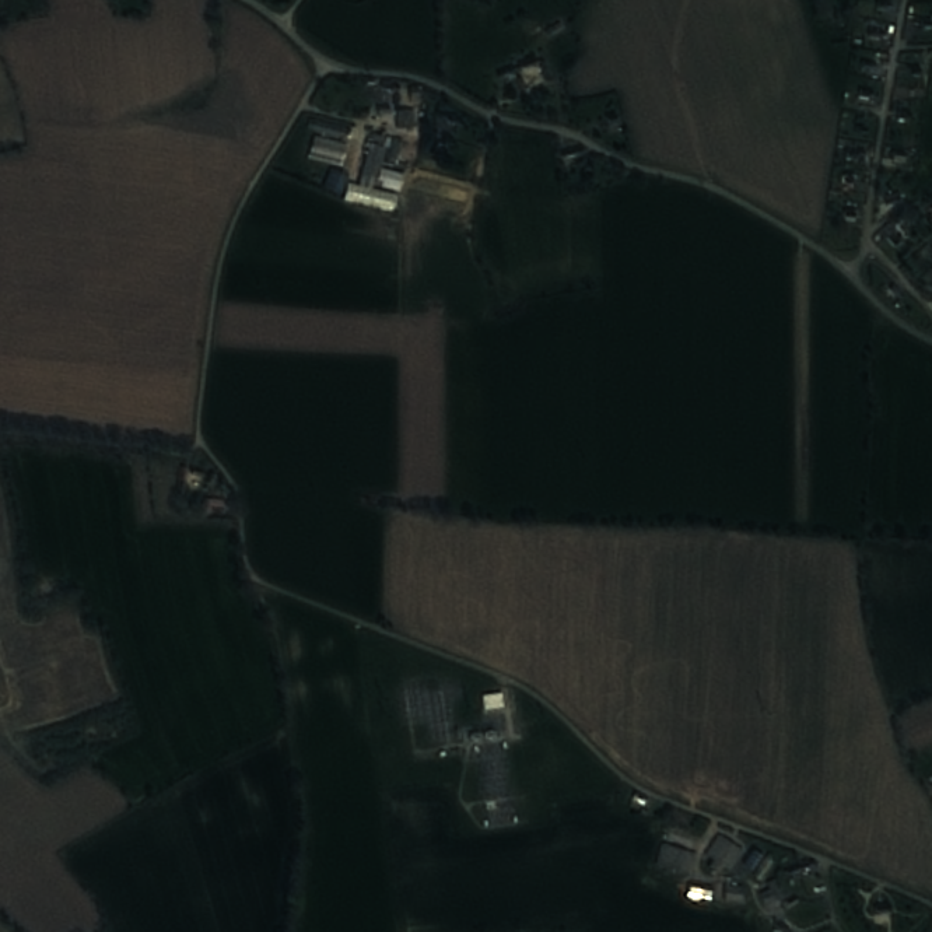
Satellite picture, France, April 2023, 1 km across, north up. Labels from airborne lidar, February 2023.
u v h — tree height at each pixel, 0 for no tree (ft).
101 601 0
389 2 0
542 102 28
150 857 0
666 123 0
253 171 0
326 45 0
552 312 0
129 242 0
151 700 0
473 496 0
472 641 0
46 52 0
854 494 0
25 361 0
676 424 0
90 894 35
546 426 0
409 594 0
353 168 0
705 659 0
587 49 0
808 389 0
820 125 0
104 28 0
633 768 0
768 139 0
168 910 0
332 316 0
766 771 0
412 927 0
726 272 0
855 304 0
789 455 0
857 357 0
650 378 0
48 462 0
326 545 0
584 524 49
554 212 0
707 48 0
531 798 0
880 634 0
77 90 0
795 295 0
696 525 52
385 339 0
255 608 31
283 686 50
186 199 0
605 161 20
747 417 0
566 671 0
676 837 0
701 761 0
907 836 0
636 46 0
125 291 0
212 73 0
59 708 0
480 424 0
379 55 0
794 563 0
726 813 0
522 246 0
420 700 0
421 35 0
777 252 0
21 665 0
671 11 0
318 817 0
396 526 0
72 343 0
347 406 0
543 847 0
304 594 0
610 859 0
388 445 0
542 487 0
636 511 0
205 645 0
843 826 0
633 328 0
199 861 0
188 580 0
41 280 0
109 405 0
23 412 0
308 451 0
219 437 0
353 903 0
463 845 0
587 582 0
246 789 0
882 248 0
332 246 0
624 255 0
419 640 0
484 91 0
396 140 0
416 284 0
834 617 0
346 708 0
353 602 0
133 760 0
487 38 0
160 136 0
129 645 0
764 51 0
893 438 0
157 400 0
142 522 0
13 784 0
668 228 0
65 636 0
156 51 0
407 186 0
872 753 0
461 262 0
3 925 29
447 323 0
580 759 0
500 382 0
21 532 18
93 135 0
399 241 0
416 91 0
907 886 0
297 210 0
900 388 0
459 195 0
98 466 0
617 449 0
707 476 0
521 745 0
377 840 0
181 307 0
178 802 0
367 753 0
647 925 0
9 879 0
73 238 0
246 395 0
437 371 0
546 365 0
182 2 0
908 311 24
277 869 0
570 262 0
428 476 0
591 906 0
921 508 0
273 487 0
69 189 0
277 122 0
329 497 0
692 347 0
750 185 0
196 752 0
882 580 0
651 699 0
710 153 0
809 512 0
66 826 0
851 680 0
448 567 0
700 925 0
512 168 0
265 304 0
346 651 0
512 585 0
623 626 0
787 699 0
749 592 0
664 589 0
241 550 59
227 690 0
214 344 0
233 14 0
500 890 0
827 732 0
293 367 0
